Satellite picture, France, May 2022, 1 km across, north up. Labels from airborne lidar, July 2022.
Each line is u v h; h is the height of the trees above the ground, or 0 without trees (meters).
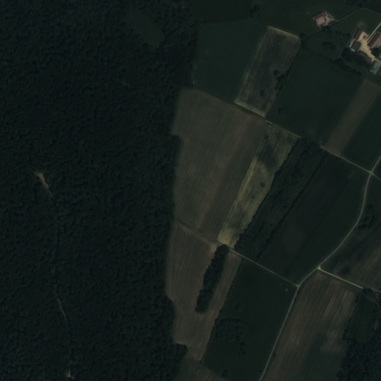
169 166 25
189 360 0
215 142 0
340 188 0
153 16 20
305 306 0
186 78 26
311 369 0
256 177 0
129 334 32
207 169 0
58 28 34
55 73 24
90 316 24
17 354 35
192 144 0
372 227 7
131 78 26
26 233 33
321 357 0
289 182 7
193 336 0
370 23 0
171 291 0
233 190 0
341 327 0
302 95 0
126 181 21
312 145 17
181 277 0
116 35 29
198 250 0
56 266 30
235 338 14
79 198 30
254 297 0
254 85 0
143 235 32
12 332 30
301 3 0
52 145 28
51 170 32
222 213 0
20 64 27
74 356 29
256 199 0
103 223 29
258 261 11
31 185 26
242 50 0
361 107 0
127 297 29
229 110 0
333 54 0
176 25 20
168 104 30
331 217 0
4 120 26
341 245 0
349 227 0
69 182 30
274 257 0
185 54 27
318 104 0
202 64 0
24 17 33
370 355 25
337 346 0
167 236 22
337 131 0
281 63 0
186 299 0
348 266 0
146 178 29
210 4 0
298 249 0
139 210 27
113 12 31
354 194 0
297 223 0
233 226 0
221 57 0
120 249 24
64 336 28
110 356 27
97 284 26
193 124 0
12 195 28
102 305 27
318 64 0
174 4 0
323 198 0
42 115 29
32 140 29
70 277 28
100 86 27
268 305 0
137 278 31
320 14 0
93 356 29
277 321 0
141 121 30
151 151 24
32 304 25
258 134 0
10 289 30
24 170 31
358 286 0
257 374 0
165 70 31
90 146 30
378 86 0
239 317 0
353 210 0
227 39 0
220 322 12
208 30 0
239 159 0
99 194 33
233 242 0
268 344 0
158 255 30
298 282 0
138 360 34
